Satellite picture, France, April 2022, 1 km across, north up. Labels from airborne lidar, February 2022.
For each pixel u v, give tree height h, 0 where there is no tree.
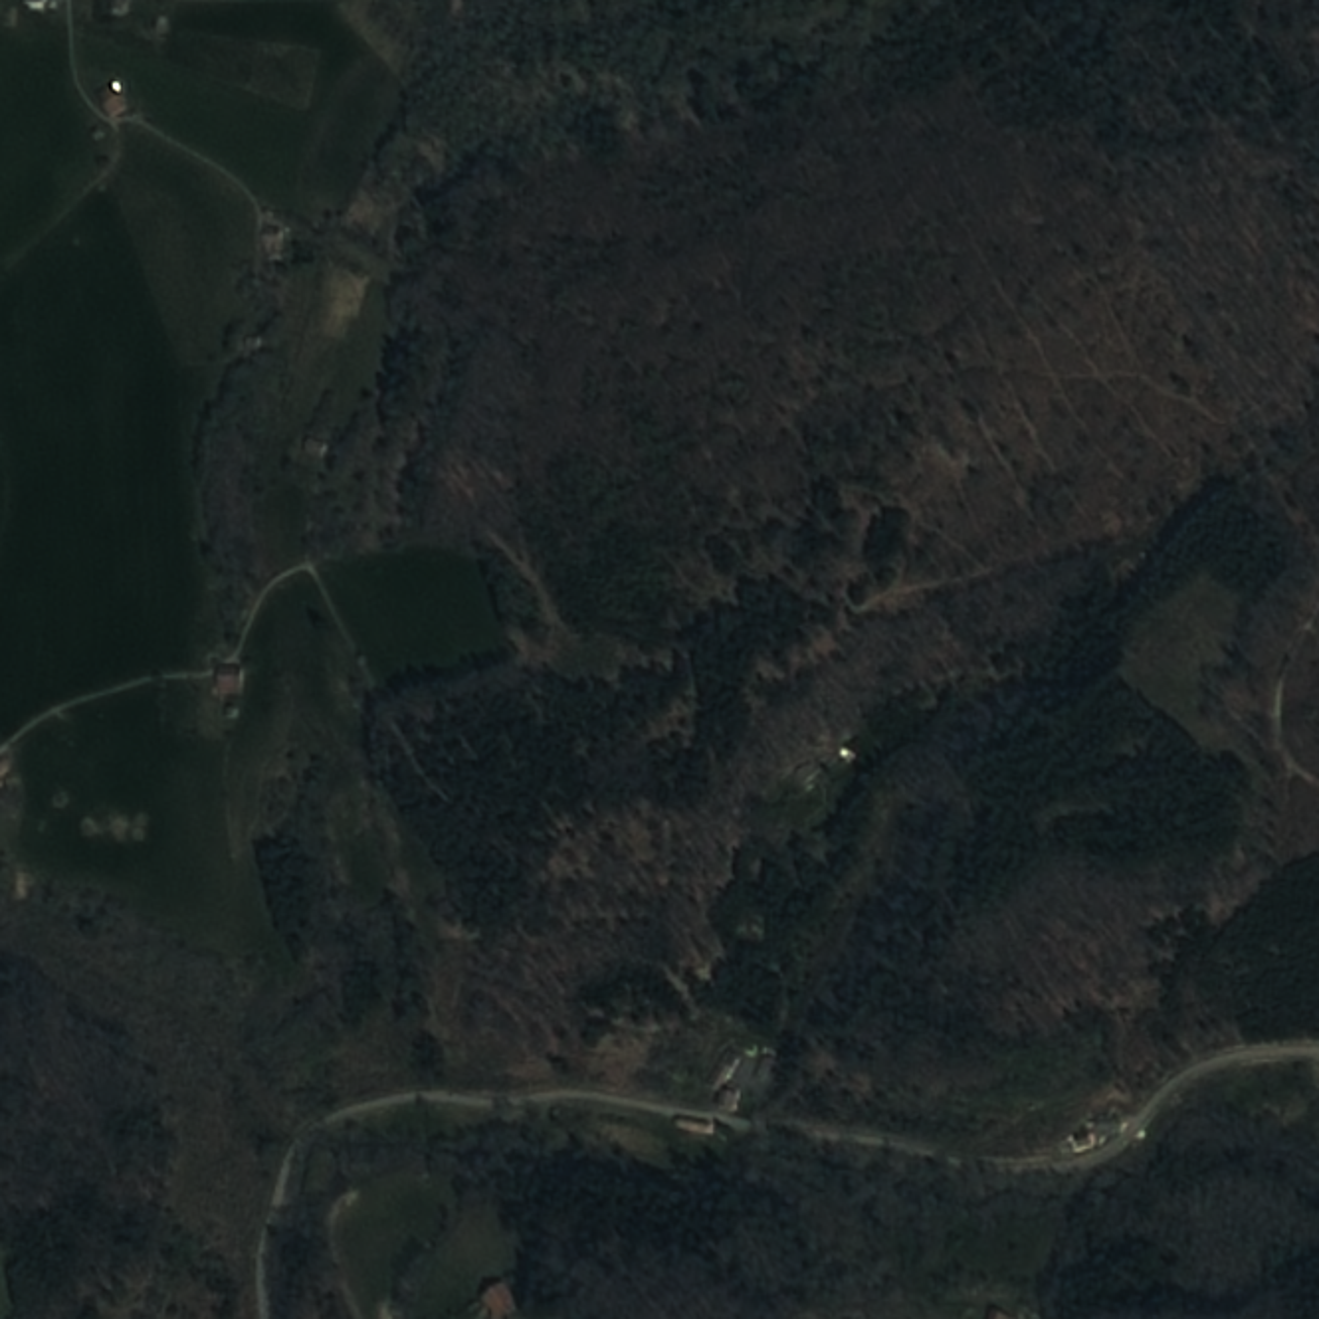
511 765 22
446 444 22
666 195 9
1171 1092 0
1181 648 0
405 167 8
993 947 26
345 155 0
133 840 0
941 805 28
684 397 10
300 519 0
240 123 0
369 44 0
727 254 11
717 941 23
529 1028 28
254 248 0
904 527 16
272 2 0
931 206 13
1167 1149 12
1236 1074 0
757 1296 25
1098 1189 19
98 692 0
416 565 0
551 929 22
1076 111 11
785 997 27
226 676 0
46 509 0
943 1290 13
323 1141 20
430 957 10
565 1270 33
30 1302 21
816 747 25
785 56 19
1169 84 24
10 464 0
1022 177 15
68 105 0
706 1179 14
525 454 13
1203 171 25
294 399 0
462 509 31
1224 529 27
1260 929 13
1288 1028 17
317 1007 20
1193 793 32
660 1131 0
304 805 16
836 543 12
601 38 11
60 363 0
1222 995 11
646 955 26
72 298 0
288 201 0
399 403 30
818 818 0
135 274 0
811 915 25
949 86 14
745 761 25
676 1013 11
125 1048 28
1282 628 28
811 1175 22
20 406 0
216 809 0
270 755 0
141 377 0
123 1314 0
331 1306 8
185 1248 20
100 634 0
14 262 0
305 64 0
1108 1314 28
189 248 0
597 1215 22
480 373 28
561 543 11
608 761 21
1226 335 24
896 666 26
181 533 0
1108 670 19
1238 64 23
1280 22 24
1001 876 25
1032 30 7
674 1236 16
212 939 0
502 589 25
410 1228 0
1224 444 9
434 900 0
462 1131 0
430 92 15
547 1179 20
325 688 0
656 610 8
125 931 19
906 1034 22
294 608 0
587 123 20
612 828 6
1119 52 28
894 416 10
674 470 9
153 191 0
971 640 24
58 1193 26
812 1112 13
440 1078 18
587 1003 13
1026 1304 0
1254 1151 13
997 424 32
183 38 0
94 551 0
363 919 19
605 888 24
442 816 22
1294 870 10
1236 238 26
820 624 11
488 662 0
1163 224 26
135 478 0
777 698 7
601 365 14
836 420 11
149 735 0
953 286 9
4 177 0
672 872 23
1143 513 11
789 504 9
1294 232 24
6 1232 23
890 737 22
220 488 25
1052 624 27
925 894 21
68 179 0
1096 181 10
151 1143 28
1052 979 28
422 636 0
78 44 0
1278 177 28
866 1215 13
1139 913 28
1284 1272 9
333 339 0
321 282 0
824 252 11
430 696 28
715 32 19
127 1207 24
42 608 0
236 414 28
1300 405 26
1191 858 33
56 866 0
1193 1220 8
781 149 11
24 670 0
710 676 25
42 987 27
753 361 10
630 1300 31
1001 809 36
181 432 0
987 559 9
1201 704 0
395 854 0
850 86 15
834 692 31
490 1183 22
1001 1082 23
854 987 16
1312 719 14
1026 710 28
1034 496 8
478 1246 0
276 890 24
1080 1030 19
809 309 11
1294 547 24
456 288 11
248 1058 21
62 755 0
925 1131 18
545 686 22
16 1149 28
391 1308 0
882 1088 16
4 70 0
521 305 8
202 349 0
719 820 26
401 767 25
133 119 0
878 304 14
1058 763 33
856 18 12
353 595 0
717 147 11
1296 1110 0
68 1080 28
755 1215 24
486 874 22
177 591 0
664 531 8
